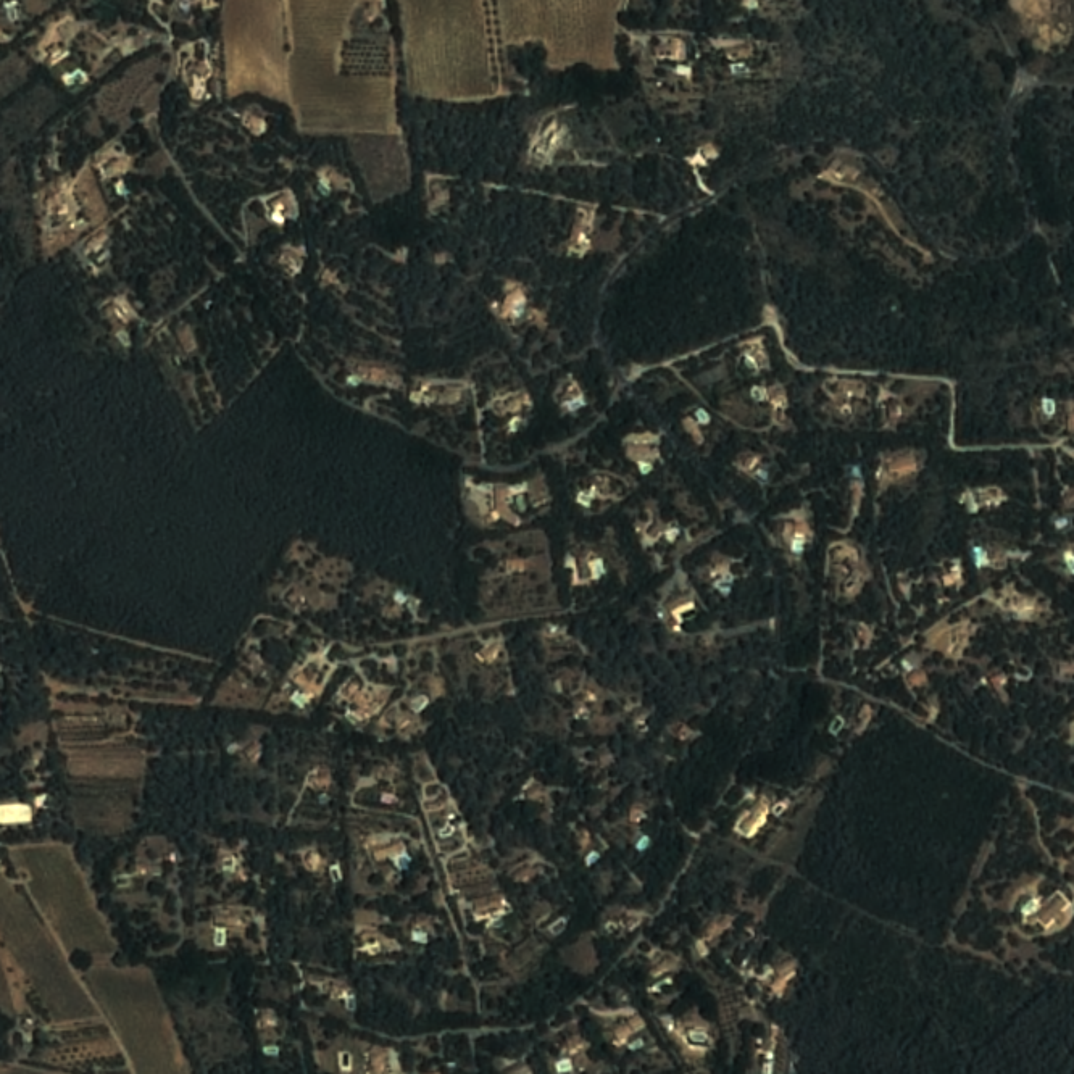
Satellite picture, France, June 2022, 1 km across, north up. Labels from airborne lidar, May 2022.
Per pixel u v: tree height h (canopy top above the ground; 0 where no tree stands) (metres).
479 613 10
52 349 13
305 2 0
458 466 8
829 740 11
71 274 10
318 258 6
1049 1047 15
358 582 13
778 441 7
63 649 9
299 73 0
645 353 7
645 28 10
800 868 9
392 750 9
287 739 15
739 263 9
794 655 16
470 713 11
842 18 9
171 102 7
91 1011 0
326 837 9
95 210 0
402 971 21
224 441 13
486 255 14
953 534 8
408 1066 18
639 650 12
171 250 6
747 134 6
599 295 14
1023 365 9
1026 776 7
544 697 14
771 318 0
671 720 20
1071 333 6
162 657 7
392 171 0
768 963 6
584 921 9
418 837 9
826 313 15
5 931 0
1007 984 7
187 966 14
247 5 0
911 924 9
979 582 13
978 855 6
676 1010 13
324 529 11
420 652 0
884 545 13
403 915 16
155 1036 0
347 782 12
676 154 14
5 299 15
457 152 13
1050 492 6
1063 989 14
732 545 15
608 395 10
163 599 14
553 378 8
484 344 6
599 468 7
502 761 15
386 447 11
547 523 8
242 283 10
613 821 14
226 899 6
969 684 7
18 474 13
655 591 7
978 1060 13
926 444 10
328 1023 9
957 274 6
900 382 7
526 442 8
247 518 14
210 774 16
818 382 10
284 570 6
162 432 13
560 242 12
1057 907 0
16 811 0
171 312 11
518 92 17
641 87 7
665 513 9
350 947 6
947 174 10
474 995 9
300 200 6
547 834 19
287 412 12
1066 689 11
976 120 15
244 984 14
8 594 6
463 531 8
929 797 6
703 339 10
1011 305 6
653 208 13
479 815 17
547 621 8
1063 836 7
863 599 7
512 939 10
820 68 7
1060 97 17
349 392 7
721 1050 8
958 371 6
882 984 6
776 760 14
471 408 7
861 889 9
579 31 0
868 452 11
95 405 11
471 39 0
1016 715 11
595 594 7
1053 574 7
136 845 9
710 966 11
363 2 0
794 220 9
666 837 8
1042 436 11
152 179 10
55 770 18
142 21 7
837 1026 16
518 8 0
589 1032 17
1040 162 8
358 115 0
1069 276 15
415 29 0
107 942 0
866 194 0
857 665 8
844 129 11
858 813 6
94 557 11
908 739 6
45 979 0
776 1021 16
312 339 6
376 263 17
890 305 6
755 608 13
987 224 6
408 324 18
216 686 8
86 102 6
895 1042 13
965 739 12
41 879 0
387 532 12
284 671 16
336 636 13
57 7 7
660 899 18
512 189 9
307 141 8
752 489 7
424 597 14
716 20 9
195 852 16
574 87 10
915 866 5
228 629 12
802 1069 17
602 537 6
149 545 15
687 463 6
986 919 6
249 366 12
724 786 8
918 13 17
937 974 7
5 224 20
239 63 0
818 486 6
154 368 6
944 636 0
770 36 14
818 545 7
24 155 6
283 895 9
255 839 17
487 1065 13
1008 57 7
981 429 5
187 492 12
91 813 0
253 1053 6
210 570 12
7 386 16
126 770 0
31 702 16
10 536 12
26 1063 6
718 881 7
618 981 8
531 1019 11
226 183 6
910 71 12
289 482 12
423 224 7
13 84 0
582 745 10
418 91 0
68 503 12
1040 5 0
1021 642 6
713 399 6
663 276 6
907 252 6
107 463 15
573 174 9
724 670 20
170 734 16
